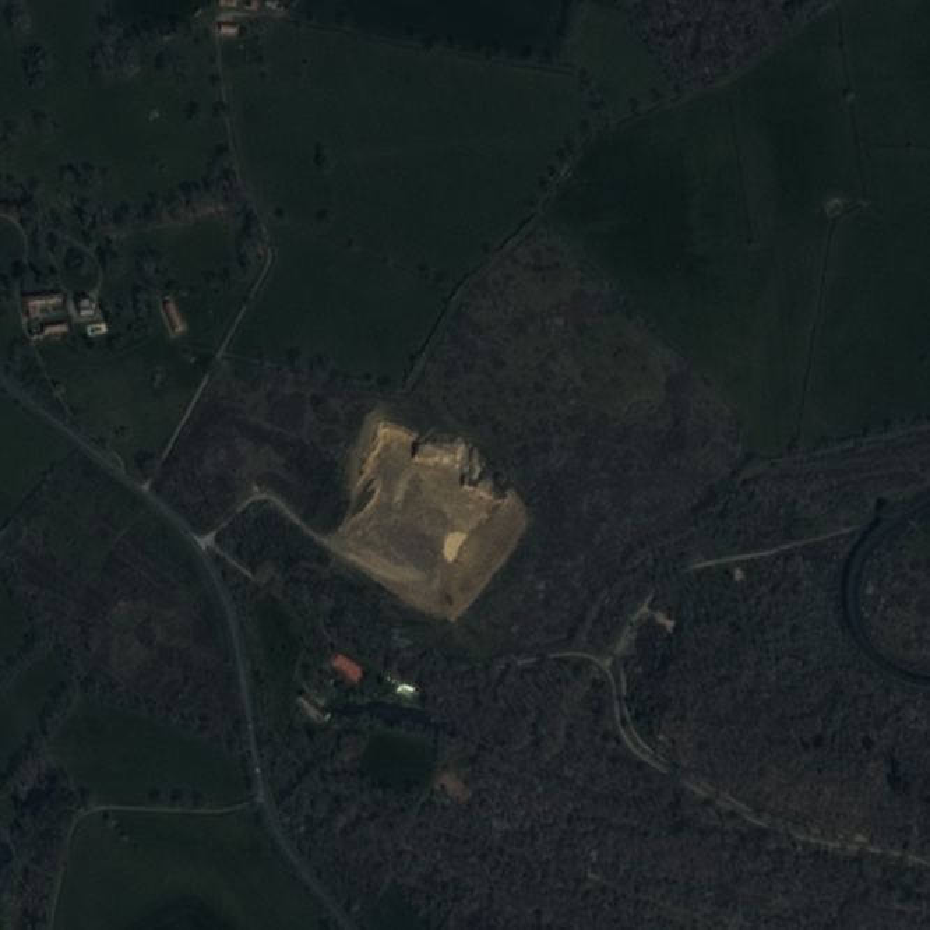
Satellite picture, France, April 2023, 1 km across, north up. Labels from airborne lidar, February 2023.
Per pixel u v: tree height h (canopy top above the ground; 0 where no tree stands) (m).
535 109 0
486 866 10
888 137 0
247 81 0
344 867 15
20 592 21
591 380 0
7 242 0
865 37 0
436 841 7
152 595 0
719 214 0
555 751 20
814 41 0
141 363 0
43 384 14
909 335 0
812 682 12
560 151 0
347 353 0
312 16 8
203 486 18
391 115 0
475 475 0
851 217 0
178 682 0
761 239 0
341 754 13
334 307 0
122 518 0
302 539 14
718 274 0
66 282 0
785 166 0
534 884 7
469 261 0
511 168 0
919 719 6
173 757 0
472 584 0
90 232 8
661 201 0
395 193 0
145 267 21
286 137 0
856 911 11
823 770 8
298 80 0
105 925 0
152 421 0
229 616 0
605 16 0
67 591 0
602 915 8
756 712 15
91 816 0
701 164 0
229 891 0
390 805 11
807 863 19
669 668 9
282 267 0
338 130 0
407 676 14
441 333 0
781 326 0
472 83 0
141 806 0
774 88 0
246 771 12
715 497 12
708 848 11
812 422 0
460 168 0
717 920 7
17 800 13
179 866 0
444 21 0
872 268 0
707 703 13
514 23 0
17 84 0
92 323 0
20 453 0
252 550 17
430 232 0
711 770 15
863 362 0
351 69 0
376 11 0
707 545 0
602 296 0
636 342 0
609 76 0
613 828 9
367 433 0
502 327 0
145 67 0
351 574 0
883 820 11
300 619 11
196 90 0
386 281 0
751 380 0
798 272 0
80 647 0
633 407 0
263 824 14
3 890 11
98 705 0
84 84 0
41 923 19
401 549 0
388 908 0
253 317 0
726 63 20
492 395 0
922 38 0
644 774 17
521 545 0
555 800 10
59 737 0
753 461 14
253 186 0
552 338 0
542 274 0
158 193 0
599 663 0
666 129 0
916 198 0
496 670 16
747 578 0
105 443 15
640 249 0
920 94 0
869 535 12
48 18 0
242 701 0
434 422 0
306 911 0
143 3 0
